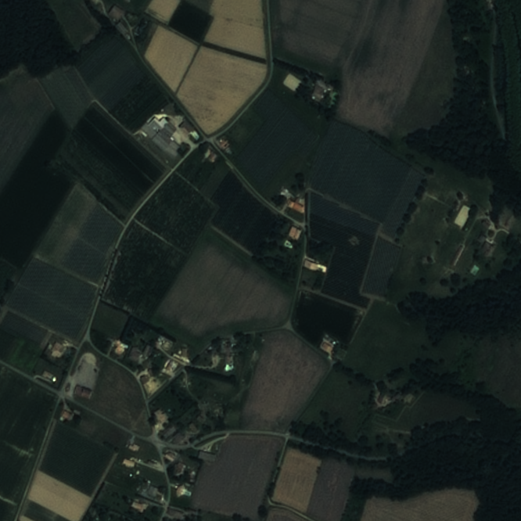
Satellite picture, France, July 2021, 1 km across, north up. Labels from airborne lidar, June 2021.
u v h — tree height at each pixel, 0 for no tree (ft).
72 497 0
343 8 0
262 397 0
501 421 47
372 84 0
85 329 0
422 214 0
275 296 0
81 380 0
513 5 80
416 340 0
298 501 0
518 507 52
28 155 0
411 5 0
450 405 0
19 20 93
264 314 0
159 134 0
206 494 0
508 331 39
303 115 0
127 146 0
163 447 0
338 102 24
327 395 0
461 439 45
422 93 0
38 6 83
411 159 29
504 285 41
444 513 0
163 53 0
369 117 0
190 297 0
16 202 0
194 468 0
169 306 0
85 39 0
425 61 0
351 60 0
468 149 104
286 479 0
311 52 0
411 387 52
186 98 0
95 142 0
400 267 0
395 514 0
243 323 0
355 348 0
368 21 0
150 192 0
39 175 0
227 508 0
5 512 0
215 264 0
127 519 25
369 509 0
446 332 50
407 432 0
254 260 28
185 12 0
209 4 0
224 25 0
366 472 0
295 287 0
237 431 0
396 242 25
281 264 41
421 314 55
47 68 77
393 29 0
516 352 0
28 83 0
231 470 0
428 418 0
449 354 0
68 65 43
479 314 85
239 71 0
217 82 0
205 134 0
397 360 0
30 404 0
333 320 0
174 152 0
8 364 0
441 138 65
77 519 0
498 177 61
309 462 0
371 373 0
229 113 0
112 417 0
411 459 61
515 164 99
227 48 0
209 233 0
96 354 0
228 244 0
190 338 0
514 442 75
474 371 0
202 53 0
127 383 0
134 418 0
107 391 0
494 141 73
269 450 0
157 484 0
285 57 0
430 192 0
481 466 84
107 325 0
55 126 0
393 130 0
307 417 0
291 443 24
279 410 0
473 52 52
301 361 0
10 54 87
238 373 0
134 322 24
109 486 0
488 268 37
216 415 0
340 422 26
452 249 0
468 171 69
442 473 82
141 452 0
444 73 0
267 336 0
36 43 68
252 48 0
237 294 0
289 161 0
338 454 30
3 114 0
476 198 0
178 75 0
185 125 0
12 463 0
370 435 0
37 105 0
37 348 0
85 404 0
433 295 0
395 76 0
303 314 0
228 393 0
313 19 0
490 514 65
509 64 94
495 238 0
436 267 0
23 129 0
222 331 0
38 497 0
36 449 0
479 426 60
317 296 0
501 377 0
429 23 0
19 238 0
